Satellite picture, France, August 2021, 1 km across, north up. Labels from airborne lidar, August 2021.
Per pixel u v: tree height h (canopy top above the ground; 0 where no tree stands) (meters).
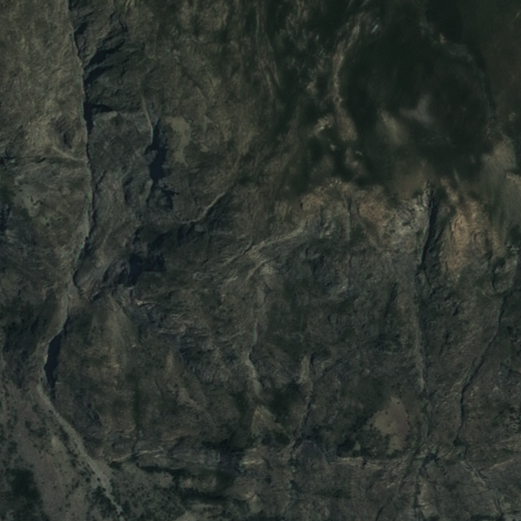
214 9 0
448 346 5
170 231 0
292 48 0
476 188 0
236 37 0
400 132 0
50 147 0
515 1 0
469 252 0
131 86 0
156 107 0
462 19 0
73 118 0
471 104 0
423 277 0
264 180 0
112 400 0
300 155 0
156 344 0
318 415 0
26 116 0
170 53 0
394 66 0
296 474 0
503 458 0
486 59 0
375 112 0
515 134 0
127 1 0
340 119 0
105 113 0
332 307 0
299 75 0
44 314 0
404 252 0
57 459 0
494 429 0
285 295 0
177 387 6
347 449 6
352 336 0
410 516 0
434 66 0
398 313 0
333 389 0
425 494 0
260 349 0
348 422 0
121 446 0
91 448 0
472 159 0
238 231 0
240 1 0
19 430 0
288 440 7
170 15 0
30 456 0
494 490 0
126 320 0
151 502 6
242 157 0
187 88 0
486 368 0
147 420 0
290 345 0
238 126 0
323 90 0
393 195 0
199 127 0
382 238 0
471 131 0
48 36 0
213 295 0
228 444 17
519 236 0
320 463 0
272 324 0
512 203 0
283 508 0
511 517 0
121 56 0
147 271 0
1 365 0
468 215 0
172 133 0
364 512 0
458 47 0
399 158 0
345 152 0
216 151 0
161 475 0
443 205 0
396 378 0
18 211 0
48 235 0
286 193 0
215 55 0
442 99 0
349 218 0
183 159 0
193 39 0
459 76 0
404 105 0
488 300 0
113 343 0
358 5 0
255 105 0
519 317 0
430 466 0
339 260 0
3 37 0
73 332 0
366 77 0
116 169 0
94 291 0
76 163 0
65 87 0
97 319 0
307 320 0
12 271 0
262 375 11
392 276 0
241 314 0
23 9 0
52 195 0
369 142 0
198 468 0
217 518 9
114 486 7
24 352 12
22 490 7
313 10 0
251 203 0
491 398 0
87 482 6
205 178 0
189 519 0
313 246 0
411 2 0
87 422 0
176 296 0
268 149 0
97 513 0
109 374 0
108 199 0
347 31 0
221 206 0
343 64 0
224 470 0
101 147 0
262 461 0
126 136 0
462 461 0
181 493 8
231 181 0
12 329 13
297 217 0
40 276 0
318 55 0
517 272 0
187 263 0
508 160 0
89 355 0
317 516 0
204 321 0
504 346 0
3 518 7
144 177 0
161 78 0
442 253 0
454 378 0
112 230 0
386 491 0
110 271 0
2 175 0
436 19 0
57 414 0
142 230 0
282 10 0
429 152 0
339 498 9
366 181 0
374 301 0
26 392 0
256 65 0
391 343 0
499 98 0
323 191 0
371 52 0
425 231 0
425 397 0
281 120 0
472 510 8
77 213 0
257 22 0
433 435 0
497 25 0
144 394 0
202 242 0
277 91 0
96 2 0
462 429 0
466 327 0
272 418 0
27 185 0
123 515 13
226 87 0
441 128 0
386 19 0
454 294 0
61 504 0
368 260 0
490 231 0
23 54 0
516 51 0
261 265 0
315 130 0
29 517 6
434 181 0
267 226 0
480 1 0
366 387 0
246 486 0
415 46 0
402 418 0
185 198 0
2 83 0
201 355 6
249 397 0
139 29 0
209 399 0
